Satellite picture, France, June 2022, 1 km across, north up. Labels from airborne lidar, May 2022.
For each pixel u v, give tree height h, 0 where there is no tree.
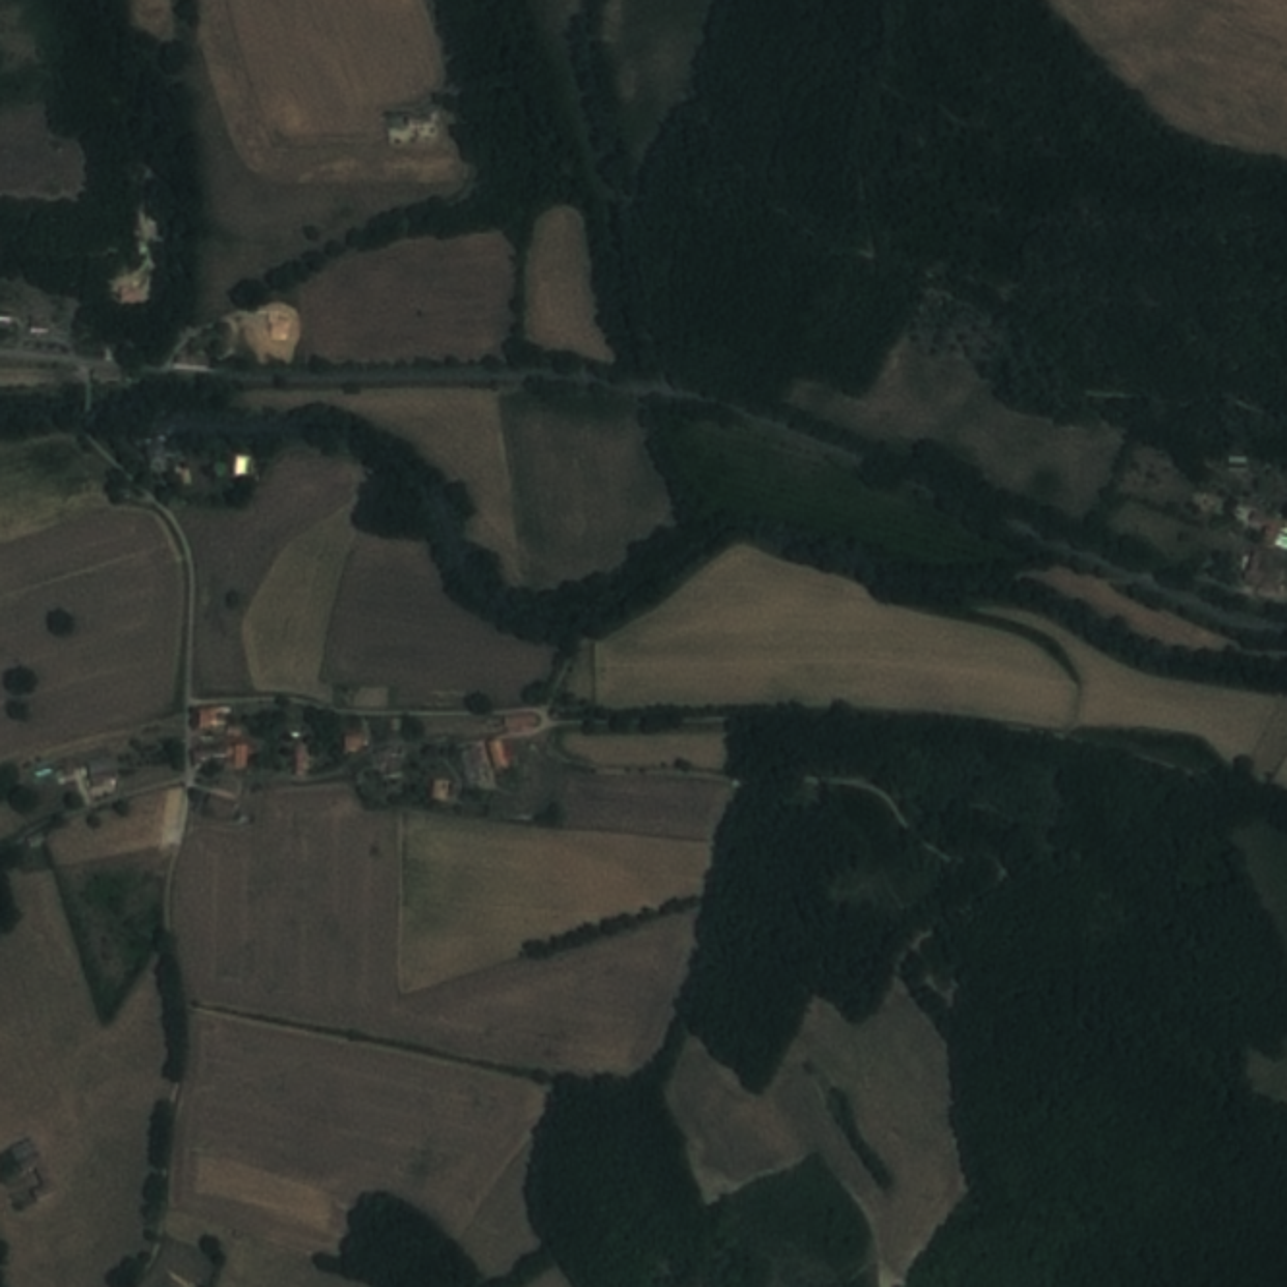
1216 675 11
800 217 17
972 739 17
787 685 0
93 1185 0
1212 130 0
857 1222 5
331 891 0
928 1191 0
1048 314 12
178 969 15
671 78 0
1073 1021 20
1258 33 0
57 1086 0
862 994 14
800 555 21
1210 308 12
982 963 13
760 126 13
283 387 17
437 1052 6
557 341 0
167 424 0
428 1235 21
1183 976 18
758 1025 21
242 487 19
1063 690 0
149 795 0
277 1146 0
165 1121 15
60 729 0
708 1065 0
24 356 0
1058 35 7
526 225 13
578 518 0
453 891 0
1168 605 8
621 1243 9
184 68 15
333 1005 0
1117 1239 14
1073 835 14
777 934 22
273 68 0
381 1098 0
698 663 0
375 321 0
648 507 0
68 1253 0
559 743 0
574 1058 0
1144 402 12
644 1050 0
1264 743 0
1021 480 0
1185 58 0
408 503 20
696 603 0
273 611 0
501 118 23
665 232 17
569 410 0
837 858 23
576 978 0
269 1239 0
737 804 13
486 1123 0
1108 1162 18
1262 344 10
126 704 0
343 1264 14
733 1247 10
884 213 6
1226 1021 15
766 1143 0
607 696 0
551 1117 13
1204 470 10
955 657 0
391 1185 0
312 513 0
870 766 17
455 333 0
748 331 9
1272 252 15
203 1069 0
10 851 12
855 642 0
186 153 16
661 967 0
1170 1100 12
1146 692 0
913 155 10
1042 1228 7
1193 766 0
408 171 0
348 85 0
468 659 0
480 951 0
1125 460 9
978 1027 16
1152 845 18
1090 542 22
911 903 0
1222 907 18
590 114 18
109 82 14
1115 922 10
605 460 0
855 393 8
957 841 16
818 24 13
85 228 11
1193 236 13
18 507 0
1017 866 14
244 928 0
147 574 0
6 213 14
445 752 9
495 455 0
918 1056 0
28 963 0
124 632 0
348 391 7
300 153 0
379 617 0
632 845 0
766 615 0
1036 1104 16
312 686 0
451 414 0
